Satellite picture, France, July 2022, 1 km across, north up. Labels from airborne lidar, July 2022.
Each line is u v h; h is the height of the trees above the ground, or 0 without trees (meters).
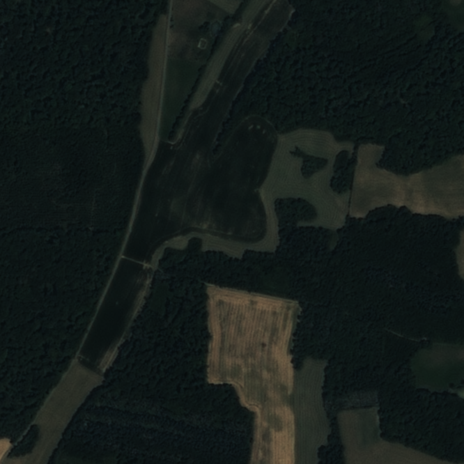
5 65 23
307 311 18
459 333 14
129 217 10
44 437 0
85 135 11
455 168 0
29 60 19
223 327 0
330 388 17
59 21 24
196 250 7
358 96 26
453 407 26
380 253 12
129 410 16
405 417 26
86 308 24
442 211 0
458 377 0
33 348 22
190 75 0
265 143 0
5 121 21
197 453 16
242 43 0
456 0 0
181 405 21
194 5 0
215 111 0
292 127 14
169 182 0
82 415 14
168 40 0
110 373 19
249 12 0
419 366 0
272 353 0
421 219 18
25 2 26
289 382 0
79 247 18
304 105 23
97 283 23
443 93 26
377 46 17
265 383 0
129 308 0
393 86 21
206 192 0
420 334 16
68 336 24
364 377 20
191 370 27
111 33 22
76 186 9
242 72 0
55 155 6
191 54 0
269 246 0
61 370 16
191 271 19
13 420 17
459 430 25
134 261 0
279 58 7
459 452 25
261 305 0
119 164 8
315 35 21
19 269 21
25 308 23
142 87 18
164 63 0
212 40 0
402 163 16
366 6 24
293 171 0
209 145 0
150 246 0
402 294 14
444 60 21
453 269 19
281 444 0
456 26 0
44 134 7
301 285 9
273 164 0
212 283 9
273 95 26
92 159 9
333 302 12
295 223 9
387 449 0
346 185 14
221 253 13
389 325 13
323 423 0
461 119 16
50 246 22
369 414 0
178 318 24
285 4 0
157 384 14
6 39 25
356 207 0
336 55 15
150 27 19
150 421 25
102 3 14
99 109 19
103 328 0
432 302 17
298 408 0
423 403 22
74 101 18
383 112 23
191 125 0
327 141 0
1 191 6
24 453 15
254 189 0
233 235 0
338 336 20
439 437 26
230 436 24
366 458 0
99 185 6
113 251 23
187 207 0
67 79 11
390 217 10
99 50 9
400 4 22
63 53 28
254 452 0
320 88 20
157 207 0
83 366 0
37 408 22
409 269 15
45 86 23
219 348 0
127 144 10
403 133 21
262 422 0
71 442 13
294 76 9
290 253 10
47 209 7
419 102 23
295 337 15
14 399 18
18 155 8
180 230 0
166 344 12
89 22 22
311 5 28
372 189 0
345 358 18
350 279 8
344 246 13
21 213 7
